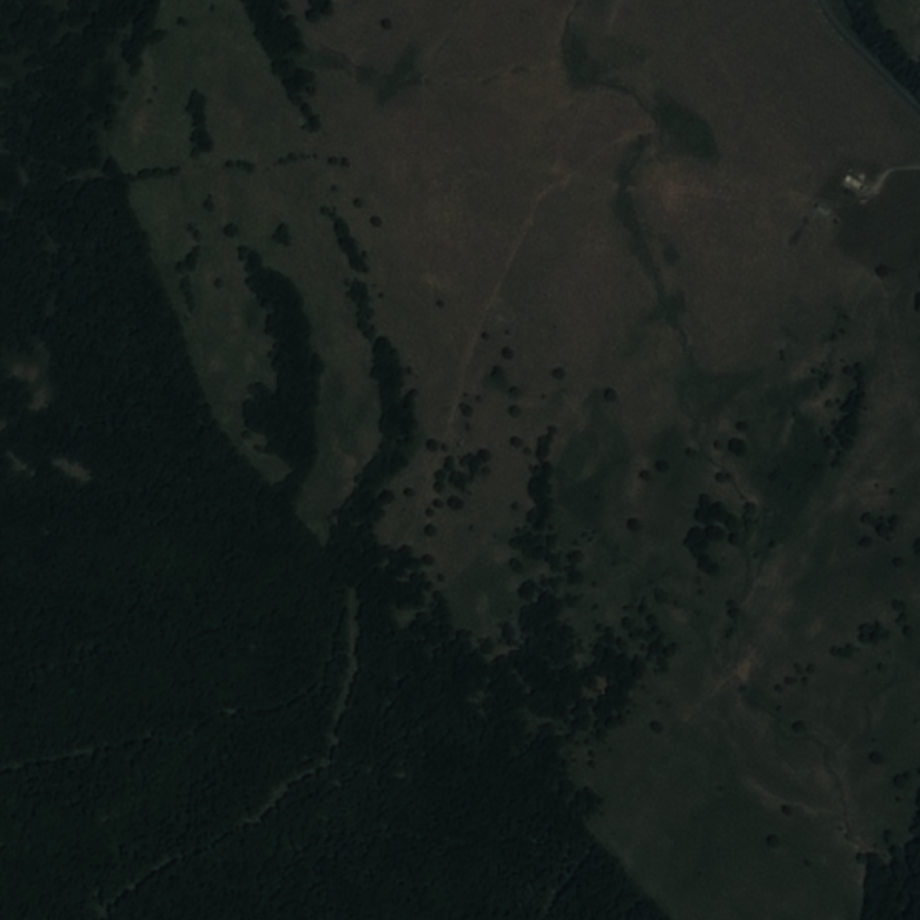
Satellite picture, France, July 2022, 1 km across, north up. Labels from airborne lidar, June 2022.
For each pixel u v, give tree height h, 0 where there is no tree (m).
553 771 10
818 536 0
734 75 0
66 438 11
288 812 13
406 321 0
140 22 10
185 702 11
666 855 0
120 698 10
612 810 0
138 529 7
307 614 11
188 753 9
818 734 0
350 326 0
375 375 9
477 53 0
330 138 0
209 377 0
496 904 8
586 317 0
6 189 0
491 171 0
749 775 0
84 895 12
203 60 0
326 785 12
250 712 6
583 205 0
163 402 11
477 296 0
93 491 11
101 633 12
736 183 0
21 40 8
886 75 0
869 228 0
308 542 10
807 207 0
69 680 12
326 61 0
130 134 0
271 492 8
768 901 0
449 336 0
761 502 0
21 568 13
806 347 0
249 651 8
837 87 0
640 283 0
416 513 0
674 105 0
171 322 11
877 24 16
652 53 0
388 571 7
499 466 0
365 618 13
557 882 9
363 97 0
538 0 0
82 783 11
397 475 7
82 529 9
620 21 0
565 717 11
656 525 0
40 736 13
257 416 9
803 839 0
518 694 14
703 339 0
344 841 12
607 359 0
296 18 10
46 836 9
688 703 0
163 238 0
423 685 11
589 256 0
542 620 10
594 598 0
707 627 0
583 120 0
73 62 11
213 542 10
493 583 0
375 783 13
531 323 0
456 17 0
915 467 0
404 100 0
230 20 0
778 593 0
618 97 0
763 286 0
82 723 13
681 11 0
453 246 0
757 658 0
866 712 0
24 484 10
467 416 8
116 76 0
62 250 8
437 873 12
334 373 0
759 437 0
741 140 0
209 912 15
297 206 0
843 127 0
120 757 15
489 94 0
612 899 15
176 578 10
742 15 0
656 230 0
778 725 0
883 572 0
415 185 0
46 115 10
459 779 10
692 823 0
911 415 0
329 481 0
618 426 0
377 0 0
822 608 0
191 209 0
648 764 0
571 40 0
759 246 0
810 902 0
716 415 0
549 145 0
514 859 12
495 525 0
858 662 0
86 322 10
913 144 0
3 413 7
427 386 0
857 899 0
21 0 8
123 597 11
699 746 0
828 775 0
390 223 0
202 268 0
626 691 8
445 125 0
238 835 13
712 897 0
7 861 13
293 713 10
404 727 12
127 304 11
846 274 0
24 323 7
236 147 0
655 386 0
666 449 0
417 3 0
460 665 11
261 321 0
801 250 0
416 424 10
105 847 14
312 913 10
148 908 13
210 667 10
